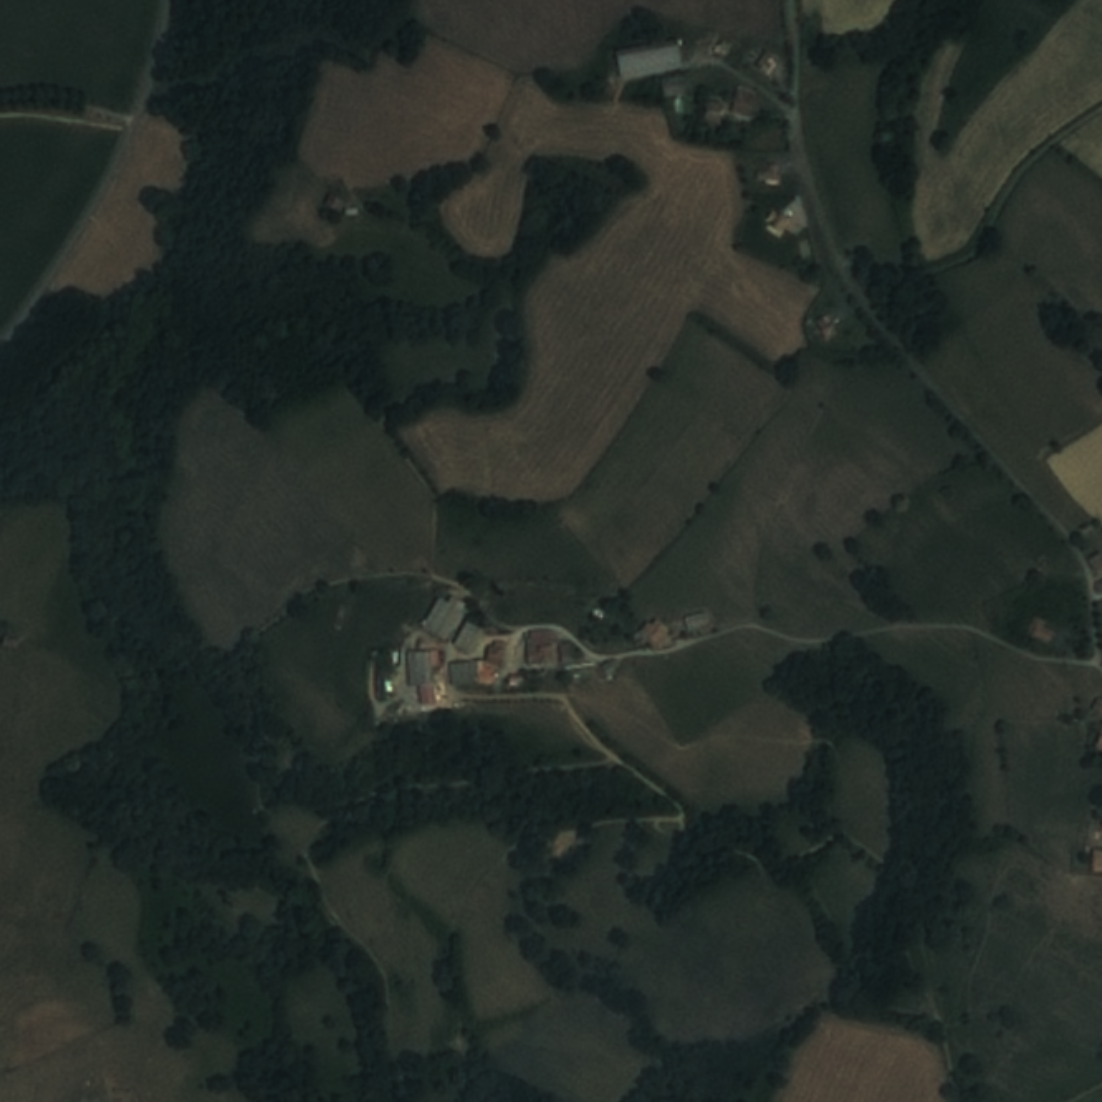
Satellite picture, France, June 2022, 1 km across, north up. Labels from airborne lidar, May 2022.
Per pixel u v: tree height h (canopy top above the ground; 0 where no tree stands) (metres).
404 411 17
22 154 0
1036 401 0
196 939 18
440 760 19
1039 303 0
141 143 0
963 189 0
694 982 0
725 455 0
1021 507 12
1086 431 0
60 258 0
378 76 0
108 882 0
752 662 0
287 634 0
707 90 6
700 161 0
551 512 0
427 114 0
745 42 0
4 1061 0
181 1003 20
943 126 0
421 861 0
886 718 21
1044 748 0
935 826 20
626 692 0
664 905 23
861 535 0
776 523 0
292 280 14
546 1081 0
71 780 19
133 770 24
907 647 0
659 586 0
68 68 0
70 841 0
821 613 0
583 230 18
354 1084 10
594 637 7
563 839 0
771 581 0
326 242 0
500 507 17
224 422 0
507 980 0
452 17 0
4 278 0
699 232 0
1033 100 0
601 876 0
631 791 12
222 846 11
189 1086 0
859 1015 19
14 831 0
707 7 0
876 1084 0
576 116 0
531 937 19
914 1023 11
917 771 25
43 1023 0
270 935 11
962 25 6
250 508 0
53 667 0
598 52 0
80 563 26
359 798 13
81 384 26
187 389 19
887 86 13
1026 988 0
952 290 0
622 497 0
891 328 11
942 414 7
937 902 20
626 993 14
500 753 25
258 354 23
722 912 0
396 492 0
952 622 0
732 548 0
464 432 0
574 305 0
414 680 0
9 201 0
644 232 0
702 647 0
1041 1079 0
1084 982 0
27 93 13
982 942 0
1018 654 0
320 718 0
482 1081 18
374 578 0
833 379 0
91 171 0
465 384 16
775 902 0
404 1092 17
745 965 0
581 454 0
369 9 19
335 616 0
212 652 13
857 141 0
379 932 0
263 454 0
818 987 0
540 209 10
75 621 0
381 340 8
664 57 0
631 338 0
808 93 0
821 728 21
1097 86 0
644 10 14
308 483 0
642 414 0
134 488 32
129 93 0
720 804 0
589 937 0
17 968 0
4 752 0
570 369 0
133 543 19
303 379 16
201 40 32
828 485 0
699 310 0
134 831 16
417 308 7
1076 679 0
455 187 18
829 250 0
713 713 0
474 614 9
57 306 24
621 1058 0
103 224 0
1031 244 0
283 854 0
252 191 11
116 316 21
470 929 0
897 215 0
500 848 0
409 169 0
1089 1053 0
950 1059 0
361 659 0
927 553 0
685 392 0
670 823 0
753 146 0
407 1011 0
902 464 0
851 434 0
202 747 0
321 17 15
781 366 11
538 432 0
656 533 0
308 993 0
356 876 0
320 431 0
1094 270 0
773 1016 0
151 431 19
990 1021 8
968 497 0
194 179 20
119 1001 16
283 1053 25
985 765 0
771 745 0
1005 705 0
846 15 0
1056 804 0
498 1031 0
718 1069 20
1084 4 0
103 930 0
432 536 0
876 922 16
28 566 0
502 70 0
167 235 21
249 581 0
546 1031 0
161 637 20
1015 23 0
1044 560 0
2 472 13
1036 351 0
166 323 21
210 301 17
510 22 0
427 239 12
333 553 0
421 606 0
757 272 0
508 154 0
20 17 0
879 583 13
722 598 0
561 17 0
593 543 0
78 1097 0
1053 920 0
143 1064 0
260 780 22
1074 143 0
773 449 0
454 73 0
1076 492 0
